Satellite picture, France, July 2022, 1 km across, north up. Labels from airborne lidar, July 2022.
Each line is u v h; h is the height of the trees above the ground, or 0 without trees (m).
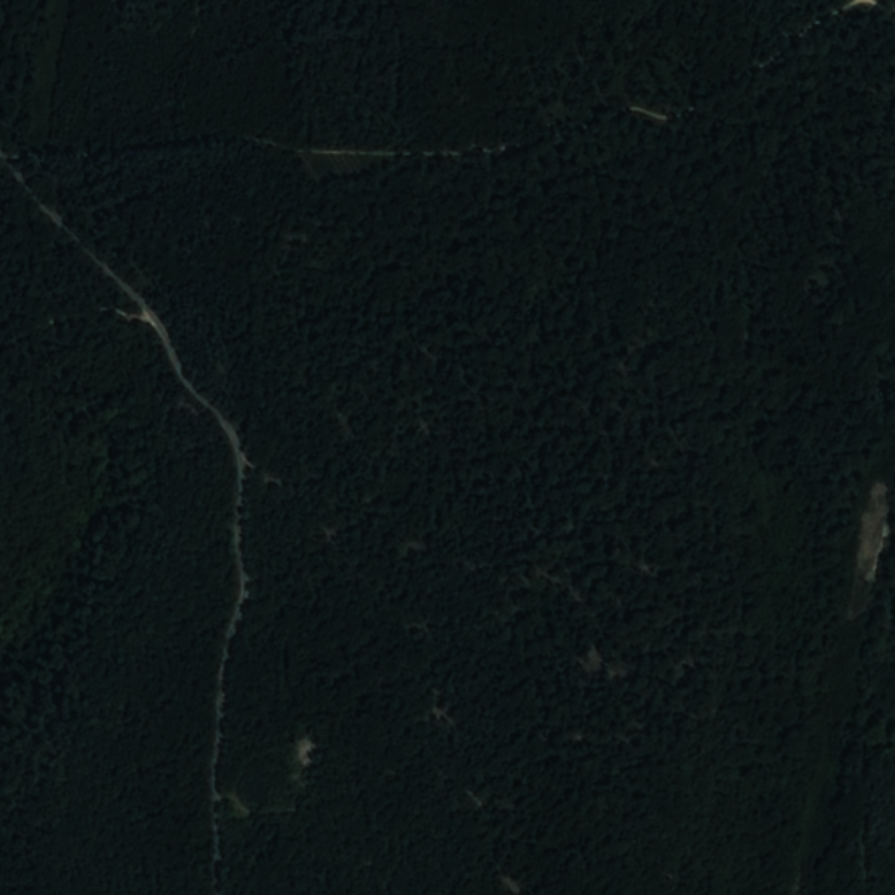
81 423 34
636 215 29
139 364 13
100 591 28
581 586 28
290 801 8
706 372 25
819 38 21
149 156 26
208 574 16
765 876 26
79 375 21
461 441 23
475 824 18
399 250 20
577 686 14
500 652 16
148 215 23
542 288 29
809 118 28
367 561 21
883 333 23
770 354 32
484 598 15
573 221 26
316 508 18
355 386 7
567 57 13
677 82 10
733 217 37
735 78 23
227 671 13
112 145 10
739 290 32
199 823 17
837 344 29
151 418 14
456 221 23
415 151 15
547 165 27
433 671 20
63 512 24
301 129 18
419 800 14
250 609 17
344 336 25
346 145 17
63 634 10
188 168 25
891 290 26
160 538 12
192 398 14
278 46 15
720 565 29
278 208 13
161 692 18
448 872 15
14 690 33
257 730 15
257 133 6
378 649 17
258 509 14
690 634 28
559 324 16
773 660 36
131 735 18
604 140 26
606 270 25
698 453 34
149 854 20
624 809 10
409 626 17
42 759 17
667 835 22
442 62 16
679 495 25
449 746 13
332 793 14
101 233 19
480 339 13
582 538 16
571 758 18
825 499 23
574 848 23
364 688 18
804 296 21
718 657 21
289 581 15
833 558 28
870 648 25
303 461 16
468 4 18
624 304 27
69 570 17
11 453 21
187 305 24
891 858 18
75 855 11
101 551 31
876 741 13
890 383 28
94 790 13
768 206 33
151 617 15
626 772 25
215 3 21
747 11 14
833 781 7
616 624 25
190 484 14
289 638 16
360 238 19
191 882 18
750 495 33
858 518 7
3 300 18
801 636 16
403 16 19
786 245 30
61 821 13
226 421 11
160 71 9
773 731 19
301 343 22
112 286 19
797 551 6
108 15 9
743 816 19
